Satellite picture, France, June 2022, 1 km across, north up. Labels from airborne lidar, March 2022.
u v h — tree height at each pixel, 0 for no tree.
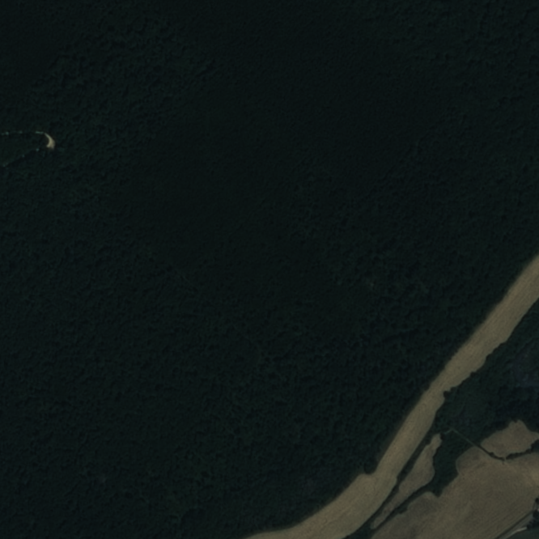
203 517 21
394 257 20
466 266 14
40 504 17
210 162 14
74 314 16
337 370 18
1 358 16
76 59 22
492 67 19
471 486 0
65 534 15
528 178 20
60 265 17
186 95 15
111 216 16
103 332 15
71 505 18
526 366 0
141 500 16
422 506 0
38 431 20
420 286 0
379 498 0
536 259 0
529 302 0
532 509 0
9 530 16
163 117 13
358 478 0
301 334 17
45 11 13
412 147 22
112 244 14
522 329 6
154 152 12
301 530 0
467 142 17
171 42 18
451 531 0
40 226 18
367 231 14
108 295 15
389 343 17
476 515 0
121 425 15
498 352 8
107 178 21
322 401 17
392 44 10
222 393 16
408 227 21
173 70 25
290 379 21
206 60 17
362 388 19
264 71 16
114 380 11
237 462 15
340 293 0
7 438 19
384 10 20
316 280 0
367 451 16
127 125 16
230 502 21
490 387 0
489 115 20
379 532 0
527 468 0
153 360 14
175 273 19
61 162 22
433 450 0
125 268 16
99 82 18
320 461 7
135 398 14
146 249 14
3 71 20
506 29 17
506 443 0
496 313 0
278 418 15
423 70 15
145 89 22
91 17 12
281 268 5
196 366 15
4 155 17
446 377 0
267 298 14
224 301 13
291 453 16
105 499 17
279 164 11
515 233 19
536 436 0
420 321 12
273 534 0
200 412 15
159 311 14
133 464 16
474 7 19
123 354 14
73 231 0
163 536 17
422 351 18
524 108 16
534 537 0
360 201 16
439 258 17
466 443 0
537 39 17
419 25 19
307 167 13
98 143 23
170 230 11
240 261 12
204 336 14
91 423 18
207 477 23
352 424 18
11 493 16
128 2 20
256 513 14
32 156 15
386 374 9
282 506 18
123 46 19
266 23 17
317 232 14
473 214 20
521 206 17
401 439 0
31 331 19
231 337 16
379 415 14
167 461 16
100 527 17
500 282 16
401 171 17
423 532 0
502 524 0
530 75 17
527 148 17
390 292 0
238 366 18
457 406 7
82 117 14
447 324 18
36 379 15
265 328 12
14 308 19
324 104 8
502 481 0
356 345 15
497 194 14
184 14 14
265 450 15
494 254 16
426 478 0
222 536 15
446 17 19
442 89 17
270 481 19
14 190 22
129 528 14
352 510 0
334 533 0
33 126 16
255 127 11
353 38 0
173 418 19
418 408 0
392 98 0
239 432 17
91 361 14
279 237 17
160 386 18
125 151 15
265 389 14
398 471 0
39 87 21
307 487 18
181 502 20
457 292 0
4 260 19
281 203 15
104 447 17
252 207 9
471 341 0
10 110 21
